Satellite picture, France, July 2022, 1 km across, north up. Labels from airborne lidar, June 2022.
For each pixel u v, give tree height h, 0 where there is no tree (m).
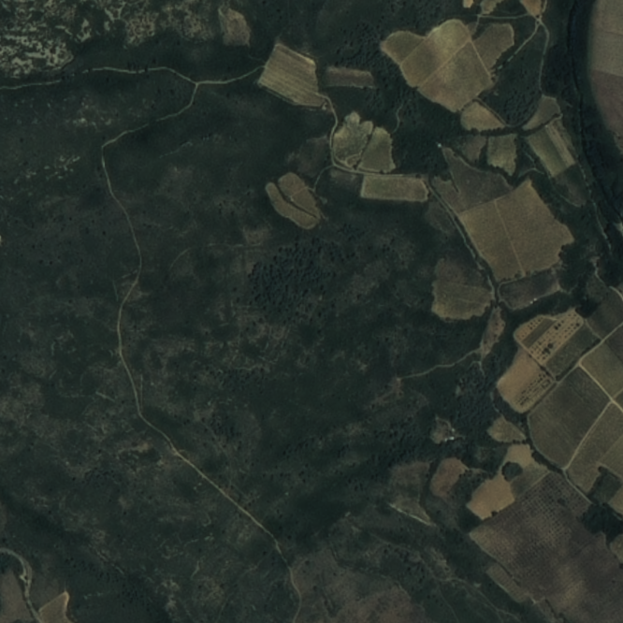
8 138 0
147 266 0
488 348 0
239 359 0
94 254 0
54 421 0
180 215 0
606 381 0
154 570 0
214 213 0
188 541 0
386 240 0
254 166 0
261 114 0
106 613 0
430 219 0
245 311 0
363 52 14
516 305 0
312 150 0
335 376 0
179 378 0
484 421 13
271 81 0
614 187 11
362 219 0
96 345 0
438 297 0
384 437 15
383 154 0
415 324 5
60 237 0
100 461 0
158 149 0
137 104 0
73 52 6
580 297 8
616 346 0
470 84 0
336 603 0
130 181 0
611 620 0
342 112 0
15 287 0
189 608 0
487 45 0
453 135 6
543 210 0
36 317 0
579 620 0
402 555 7
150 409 0
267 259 0
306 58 0
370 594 0
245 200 0
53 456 0
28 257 0
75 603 0
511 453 0
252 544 0
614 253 7
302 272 10
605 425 0
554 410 0
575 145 7
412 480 0
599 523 8
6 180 0
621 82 0
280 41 0
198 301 0
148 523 0
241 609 0
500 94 0
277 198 0
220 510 0
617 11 0
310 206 0
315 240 10
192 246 0
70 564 10
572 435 0
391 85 13
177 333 0
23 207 0
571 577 0
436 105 6
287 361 0
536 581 0
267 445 0
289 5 0
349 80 0
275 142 0
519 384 0
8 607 0
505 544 0
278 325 0
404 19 7
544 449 0
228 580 0
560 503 7
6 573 9
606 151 21
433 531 0
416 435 12
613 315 0
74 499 0
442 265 0
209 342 0
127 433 0
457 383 10
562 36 10
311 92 0
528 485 0
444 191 0
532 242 0
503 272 0
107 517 0
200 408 0
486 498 0
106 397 0
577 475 0
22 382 0
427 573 6
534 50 0
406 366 0
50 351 0
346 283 0
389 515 0
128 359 0
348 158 0
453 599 0
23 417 0
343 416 0
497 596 0
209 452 0
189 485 0
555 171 0
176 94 12
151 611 10
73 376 0
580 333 0
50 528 9
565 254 7
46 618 0
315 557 0
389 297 5
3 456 0
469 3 0
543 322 0
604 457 0
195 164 0
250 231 0
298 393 0
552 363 0
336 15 0
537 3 0
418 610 0
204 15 0
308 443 7
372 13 0
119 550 0
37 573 0
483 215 0
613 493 0
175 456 0
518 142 10
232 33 0
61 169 0
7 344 0
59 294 0
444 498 0
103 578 9
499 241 0
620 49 0
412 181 0
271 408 0
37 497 0
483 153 7
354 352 0
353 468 8
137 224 0
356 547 0
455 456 8
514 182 8
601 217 7
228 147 0
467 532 0
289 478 10
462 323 6
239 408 0
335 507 0
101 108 0
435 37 0
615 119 0
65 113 0
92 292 0
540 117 0
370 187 0
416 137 7
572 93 16
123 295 0
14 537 0
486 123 0
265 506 0
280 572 0
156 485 0
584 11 19
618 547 0
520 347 0
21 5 0
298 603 0
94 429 0
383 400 0
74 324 0
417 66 0
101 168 12
